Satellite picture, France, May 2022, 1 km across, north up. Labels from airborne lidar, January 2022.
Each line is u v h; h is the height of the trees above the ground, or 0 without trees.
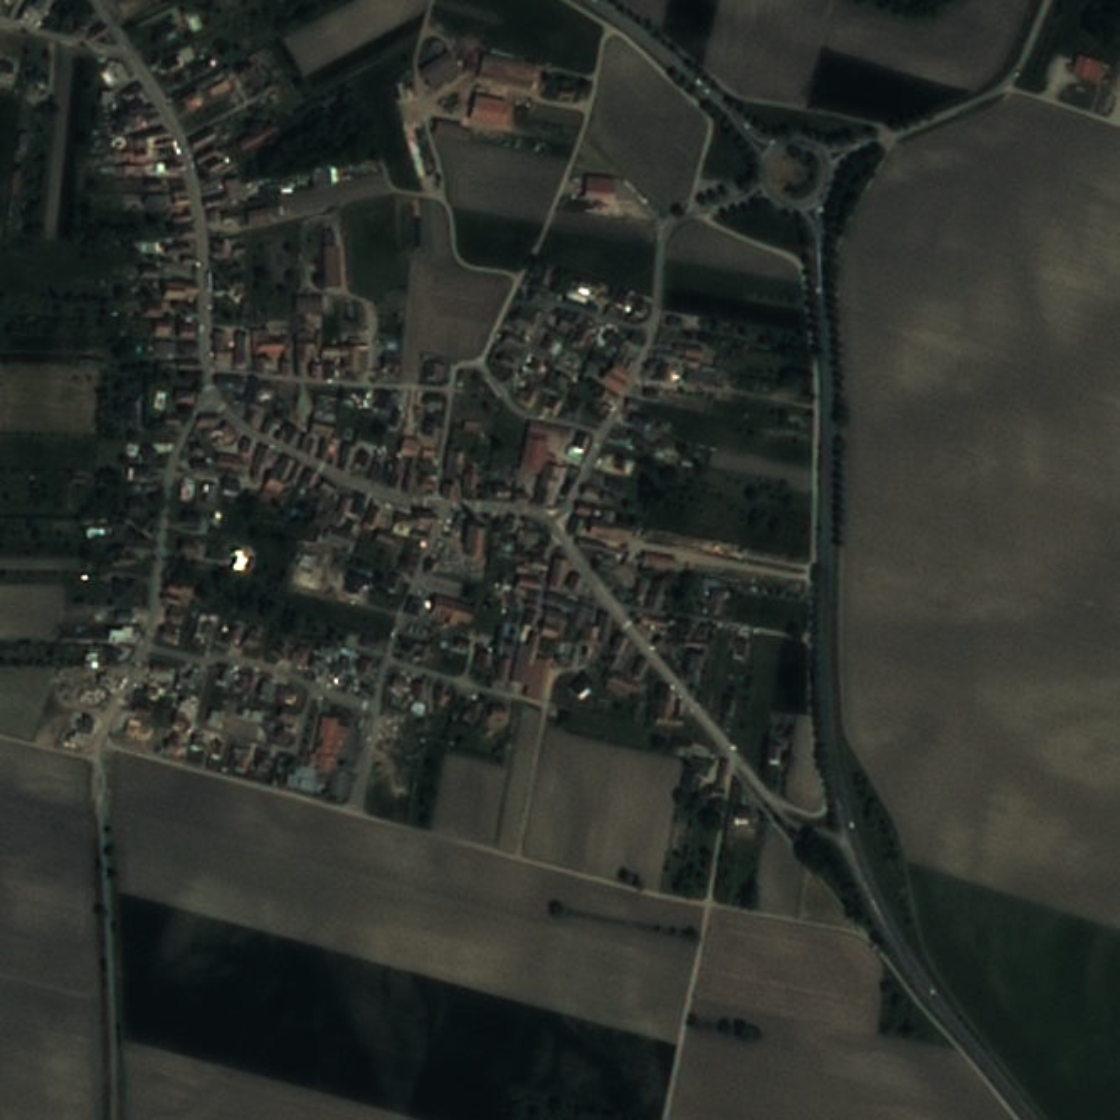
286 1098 0
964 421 0
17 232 0
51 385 0
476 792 0
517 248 0
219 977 0
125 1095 0
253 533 8
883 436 0
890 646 0
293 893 0
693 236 0
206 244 0
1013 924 0
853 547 0
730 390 0
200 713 0
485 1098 0
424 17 0
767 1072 0
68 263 0
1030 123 0
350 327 0
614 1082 0
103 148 0
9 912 0
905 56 0
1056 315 0
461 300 0
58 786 0
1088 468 0
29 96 0
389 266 0
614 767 0
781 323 0
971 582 0
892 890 0
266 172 16
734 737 0
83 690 0
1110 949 0
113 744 0
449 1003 0
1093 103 0
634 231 0
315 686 0
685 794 9
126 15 0
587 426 0
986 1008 0
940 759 0
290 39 0
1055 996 0
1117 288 0
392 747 0
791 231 0
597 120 0
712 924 0
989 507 0
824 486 0
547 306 0
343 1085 0
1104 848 0
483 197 0
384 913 0
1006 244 0
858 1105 0
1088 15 6
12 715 0
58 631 0
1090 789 0
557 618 0
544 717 0
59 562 0
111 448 0
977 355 0
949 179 0
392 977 0
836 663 0
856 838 0
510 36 0
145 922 0
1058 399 0
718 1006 0
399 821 0
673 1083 0
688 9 0
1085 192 0
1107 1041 0
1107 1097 0
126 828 0
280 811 0
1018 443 0
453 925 0
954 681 0
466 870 0
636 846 0
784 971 0
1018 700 0
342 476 0
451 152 0
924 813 0
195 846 0
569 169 0
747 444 0
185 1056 0
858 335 0
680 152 0
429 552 0
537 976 0
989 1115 0
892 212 0
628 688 0
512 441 0
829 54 0
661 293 0
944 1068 0
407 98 0
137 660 0
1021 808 0
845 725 0
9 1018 0
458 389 0
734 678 0
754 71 0
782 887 0
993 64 0
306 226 0
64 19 7
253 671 0
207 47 0
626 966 0
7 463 0
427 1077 0
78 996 0
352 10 0
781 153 0
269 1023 0
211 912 0
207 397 0
